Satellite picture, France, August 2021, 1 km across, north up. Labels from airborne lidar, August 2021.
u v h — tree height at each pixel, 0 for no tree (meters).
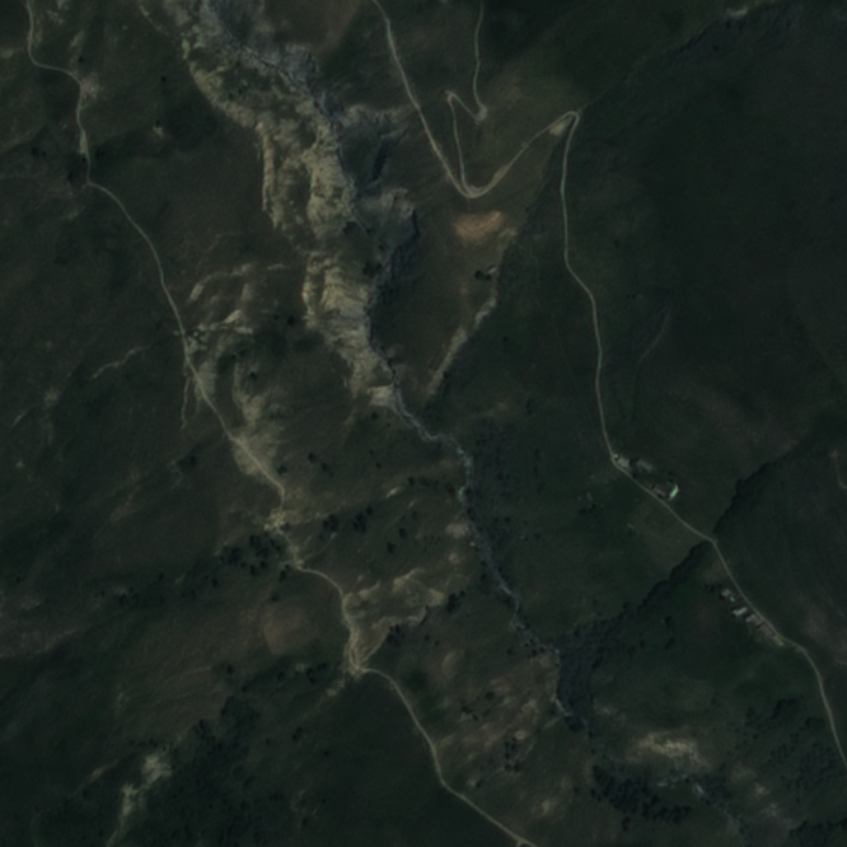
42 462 0
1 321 0
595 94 0
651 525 0
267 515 0
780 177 0
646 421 0
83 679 0
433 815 0
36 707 0
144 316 0
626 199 0
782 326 0
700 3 0
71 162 0
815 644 0
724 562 0
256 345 0
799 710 10
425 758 0
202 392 0
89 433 0
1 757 0
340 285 0
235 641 0
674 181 0
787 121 0
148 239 0
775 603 0
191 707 0
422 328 0
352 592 0
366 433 0
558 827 0
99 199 0
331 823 0
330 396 0
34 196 0
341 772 0
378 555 0
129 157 0
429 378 0
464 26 0
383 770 0
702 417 0
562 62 0
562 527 0
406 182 0
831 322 0
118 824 0
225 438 0
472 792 0
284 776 0
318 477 0
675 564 0
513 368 0
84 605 0
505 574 11
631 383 0
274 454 0
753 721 11
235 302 0
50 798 0
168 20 0
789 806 0
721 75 0
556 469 0
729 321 0
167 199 0
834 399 0
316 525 0
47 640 0
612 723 0
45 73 0
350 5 0
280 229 0
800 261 0
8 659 0
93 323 0
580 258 0
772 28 0
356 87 0
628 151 0
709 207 0
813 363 0
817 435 0
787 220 0
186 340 0
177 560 0
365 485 0
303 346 0
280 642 0
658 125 0
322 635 0
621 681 0
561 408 0
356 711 0
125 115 0
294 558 0
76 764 0
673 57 0
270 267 0
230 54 0
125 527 0
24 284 0
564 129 0
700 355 0
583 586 0
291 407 0
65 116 0
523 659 0
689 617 0
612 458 0
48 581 0
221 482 0
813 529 0
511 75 0
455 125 0
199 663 0
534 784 0
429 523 0
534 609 0
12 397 0
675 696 0
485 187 0
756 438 0
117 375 0
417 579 0
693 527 0
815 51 0
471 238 0
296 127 0
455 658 0
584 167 0
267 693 0
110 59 0
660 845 0
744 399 0
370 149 0
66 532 0
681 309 0
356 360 0
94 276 0
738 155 0
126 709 0
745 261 0
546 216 0
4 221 0
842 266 0
